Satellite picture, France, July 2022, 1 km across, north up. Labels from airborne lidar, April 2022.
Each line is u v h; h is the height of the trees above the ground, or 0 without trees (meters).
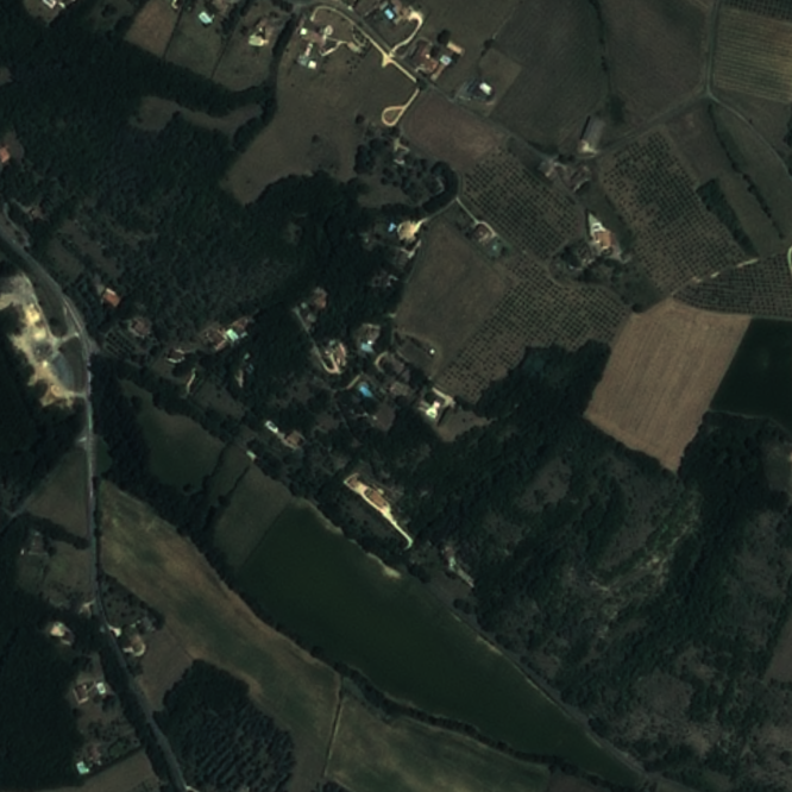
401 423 12
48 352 0
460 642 0
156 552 0
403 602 0
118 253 8
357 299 11
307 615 0
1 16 10
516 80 0
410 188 12
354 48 0
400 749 0
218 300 13
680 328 0
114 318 11
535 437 10
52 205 16
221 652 0
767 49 0
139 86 17
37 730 16
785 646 0
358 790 0
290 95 0
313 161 0
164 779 9
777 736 0
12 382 0
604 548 8
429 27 0
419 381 14
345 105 0
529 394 11
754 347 0
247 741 9
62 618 15
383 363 6
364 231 14
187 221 12
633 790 0
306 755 0
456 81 0
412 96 0
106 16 9
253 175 0
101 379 25
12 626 18
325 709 0
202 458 0
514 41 0
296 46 0
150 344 15
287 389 6
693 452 11
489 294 0
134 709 15
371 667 0
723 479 18
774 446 0
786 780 0
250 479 0
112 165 14
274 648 0
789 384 0
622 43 0
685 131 0
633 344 0
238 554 0
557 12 0
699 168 0
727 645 7
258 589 0
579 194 6
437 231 0
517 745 0
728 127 0
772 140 0
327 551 0
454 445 7
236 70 0
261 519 0
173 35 0
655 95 0
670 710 0
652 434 0
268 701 0
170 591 0
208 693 17
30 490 13
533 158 0
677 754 10
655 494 0
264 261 11
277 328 14
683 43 0
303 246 11
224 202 12
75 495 0
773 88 0
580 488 13
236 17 7
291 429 16
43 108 14
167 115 0
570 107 0
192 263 19
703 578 16
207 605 0
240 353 13
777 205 0
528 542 11
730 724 6
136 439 33
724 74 0
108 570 0
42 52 17
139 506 0
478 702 0
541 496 7
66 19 16
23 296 0
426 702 0
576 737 0
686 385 0
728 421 10
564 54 0
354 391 9
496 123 0
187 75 13
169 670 0
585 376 12
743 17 0
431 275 0
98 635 10
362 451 9
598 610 0
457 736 0
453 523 9
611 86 0
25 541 16
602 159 0
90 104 13
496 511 7
